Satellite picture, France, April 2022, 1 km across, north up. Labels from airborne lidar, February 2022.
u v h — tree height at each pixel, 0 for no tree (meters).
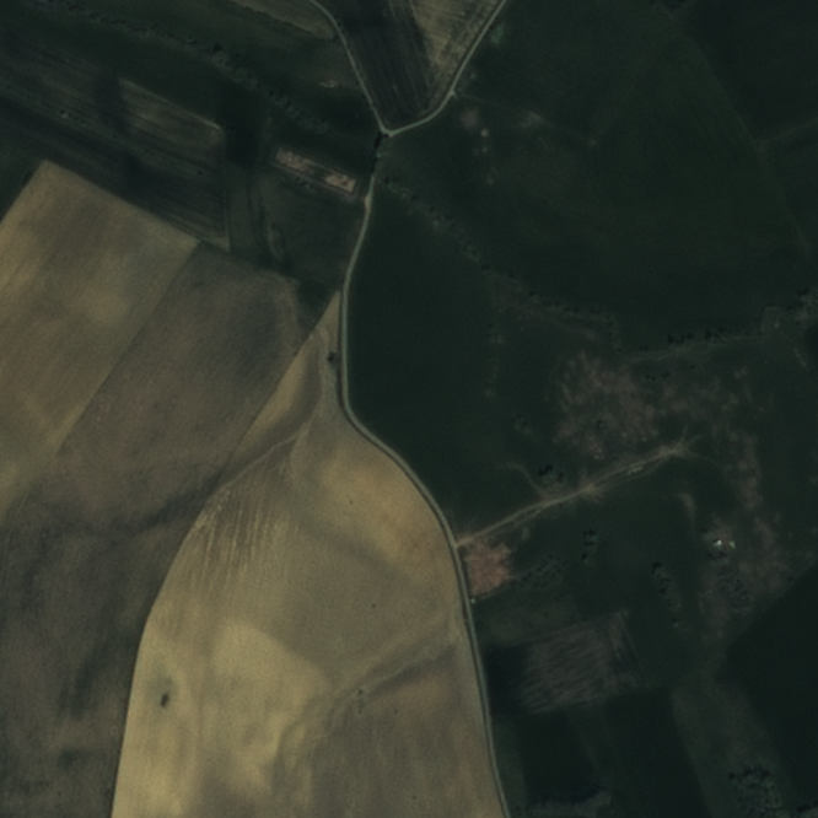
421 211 0
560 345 0
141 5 0
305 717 0
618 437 0
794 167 0
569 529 0
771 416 0
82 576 0
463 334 0
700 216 0
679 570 0
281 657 0
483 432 0
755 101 0
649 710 0
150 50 0
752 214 0
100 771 0
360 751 0
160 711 0
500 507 0
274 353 0
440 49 0
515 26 0
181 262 0
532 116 0
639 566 0
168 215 0
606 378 0
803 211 0
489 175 0
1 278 0
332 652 0
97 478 0
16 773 0
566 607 0
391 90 0
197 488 0
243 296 0
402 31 0
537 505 0
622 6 0
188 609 0
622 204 0
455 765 0
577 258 0
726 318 0
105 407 0
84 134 0
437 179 0
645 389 0
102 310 0
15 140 0
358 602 0
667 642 0
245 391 0
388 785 0
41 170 0
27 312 0
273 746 0
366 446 0
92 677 0
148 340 0
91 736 0
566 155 0
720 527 0
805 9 0
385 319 0
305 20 0
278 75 0
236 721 0
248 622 0
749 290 0
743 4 0
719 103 0
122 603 0
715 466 0
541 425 0
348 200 0
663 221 0
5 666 0
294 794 0
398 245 0
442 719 0
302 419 0
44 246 0
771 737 0
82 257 0
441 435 0
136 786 0
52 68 0
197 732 0
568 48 0
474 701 0
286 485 0
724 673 0
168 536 0
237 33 0
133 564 0
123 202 0
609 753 0
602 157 0
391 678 0
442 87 0
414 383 0
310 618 0
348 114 0
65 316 0
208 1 0
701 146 0
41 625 0
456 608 0
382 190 0
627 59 0
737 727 0
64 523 0
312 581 0
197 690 0
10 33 0
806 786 0
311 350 0
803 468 0
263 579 0
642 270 0
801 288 0
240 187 0
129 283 0
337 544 0
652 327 0
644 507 0
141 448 0
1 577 0
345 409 0
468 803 0
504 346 0
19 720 0
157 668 0
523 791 0
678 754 0
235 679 0
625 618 0
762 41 0
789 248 0
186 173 0
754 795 8
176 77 0
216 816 0
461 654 0
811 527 0
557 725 0
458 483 0
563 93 0
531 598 0
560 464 0
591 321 0
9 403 0
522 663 0
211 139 0
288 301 0
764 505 0
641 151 0
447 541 0
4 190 0
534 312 0
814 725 0
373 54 0
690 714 0
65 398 0
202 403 0
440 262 0
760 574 0
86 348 0
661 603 0
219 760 0
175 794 0
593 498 0
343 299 0
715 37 0
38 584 0
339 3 0
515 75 0
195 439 0
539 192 0
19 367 0
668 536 0
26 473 0
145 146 0
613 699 0
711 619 0
